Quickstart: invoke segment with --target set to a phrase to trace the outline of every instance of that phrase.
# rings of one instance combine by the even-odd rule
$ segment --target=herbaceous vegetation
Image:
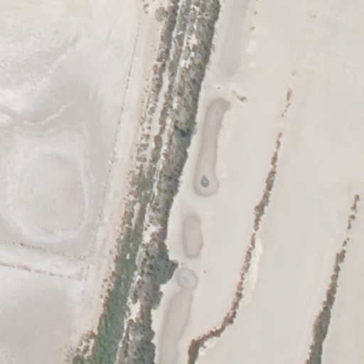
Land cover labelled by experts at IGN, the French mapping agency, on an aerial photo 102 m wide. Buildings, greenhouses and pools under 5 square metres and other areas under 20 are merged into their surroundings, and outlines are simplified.
[[[242,293],[236,293],[230,313],[223,318],[220,327],[192,341],[188,350],[188,364],[195,364],[199,348],[205,341],[219,337],[235,320],[237,307],[242,300]]]
[[[159,45],[161,54],[158,55],[158,61],[161,65],[154,65],[152,85],[139,91],[139,102],[136,104],[139,122],[135,125],[134,141],[129,149],[128,158],[128,176],[132,179],[129,193],[134,195],[134,200],[125,203],[125,213],[121,222],[122,235],[117,239],[115,272],[104,279],[104,283],[108,284],[108,296],[98,321],[98,333],[90,331],[82,334],[77,348],[71,347],[70,344],[57,348],[58,354],[67,357],[68,364],[155,364],[151,313],[161,301],[162,284],[171,279],[178,266],[178,263],[169,259],[165,245],[169,212],[173,198],[178,193],[179,178],[188,159],[188,148],[195,131],[200,85],[205,78],[206,65],[209,64],[215,24],[219,18],[220,0],[171,0],[172,6],[169,9],[159,7],[155,11],[156,20],[166,26],[161,36],[162,43]]]

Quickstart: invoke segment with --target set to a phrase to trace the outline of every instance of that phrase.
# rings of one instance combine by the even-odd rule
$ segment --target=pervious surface
[[[154,65],[161,65],[158,61],[158,55],[161,54],[159,45],[162,43],[161,36],[166,26],[156,20],[155,11],[159,7],[169,9],[172,6],[171,0],[0,0],[0,364],[68,364],[67,357],[58,354],[57,348],[70,344],[71,347],[77,348],[82,334],[90,331],[98,333],[98,321],[108,296],[108,284],[104,283],[104,279],[115,272],[117,239],[122,235],[121,222],[125,213],[125,203],[134,200],[134,195],[129,193],[132,179],[128,176],[128,158],[129,149],[134,141],[135,125],[139,122],[136,104],[139,102],[139,91],[152,85]]]
[[[215,24],[209,64],[206,65],[205,78],[200,85],[195,131],[188,148],[188,159],[179,178],[178,193],[173,198],[169,212],[165,245],[169,259],[178,263],[178,266],[171,279],[162,284],[161,301],[151,313],[155,364],[188,364],[188,350],[192,341],[220,327],[223,318],[230,313],[236,293],[242,293],[242,300],[237,307],[235,320],[219,337],[205,341],[199,348],[195,364],[306,364],[313,344],[314,323],[323,310],[336,255],[341,250],[346,250],[346,257],[340,264],[330,324],[323,341],[321,364],[364,364],[364,0],[220,0],[219,18]]]

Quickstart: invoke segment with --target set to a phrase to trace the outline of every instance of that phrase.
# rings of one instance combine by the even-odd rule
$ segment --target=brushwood
[[[336,255],[323,310],[314,323],[313,344],[306,364],[321,364],[323,341],[330,324],[340,264],[346,257],[346,250],[341,250]]]

